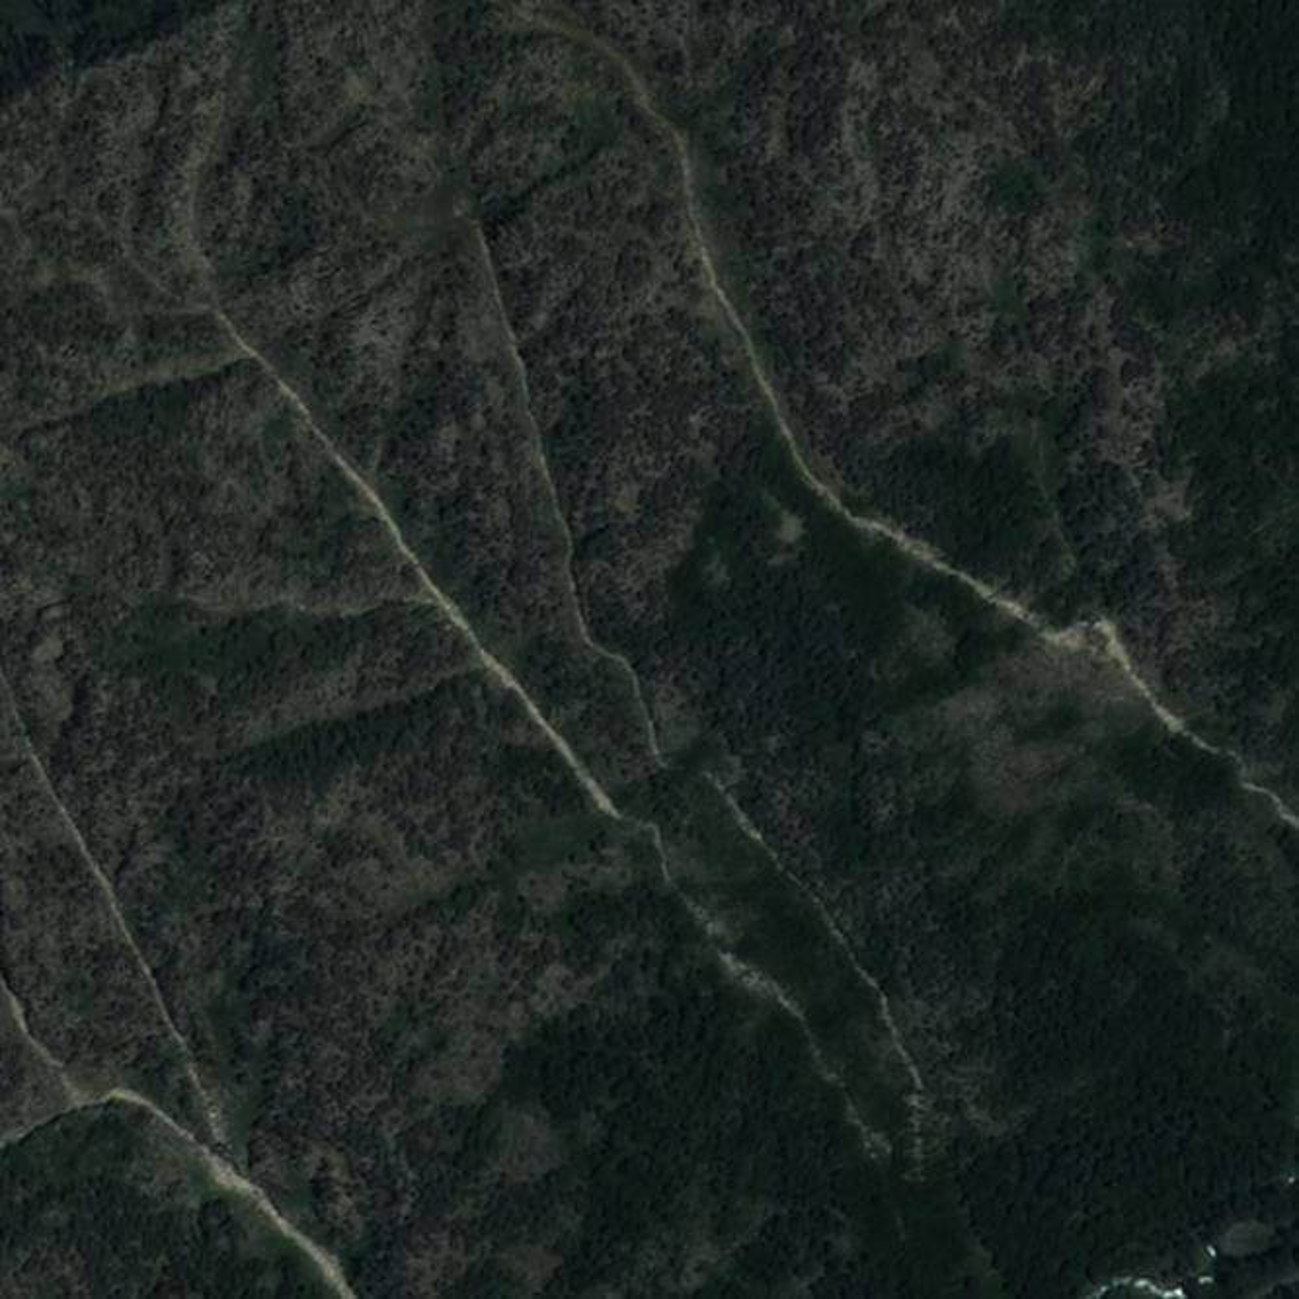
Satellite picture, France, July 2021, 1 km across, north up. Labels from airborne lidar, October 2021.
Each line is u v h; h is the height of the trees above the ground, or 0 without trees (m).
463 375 6
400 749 12
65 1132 7
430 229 0
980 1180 21
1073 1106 32
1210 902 17
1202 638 11
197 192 0
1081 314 18
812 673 24
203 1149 0
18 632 12
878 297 15
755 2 8
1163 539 10
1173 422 17
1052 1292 23
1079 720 7
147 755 10
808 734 15
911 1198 11
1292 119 16
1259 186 14
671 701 8
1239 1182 35
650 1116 23
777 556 24
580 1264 18
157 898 14
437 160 0
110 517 12
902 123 7
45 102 6
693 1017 39
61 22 10
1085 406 13
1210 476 15
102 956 16
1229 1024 12
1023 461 20
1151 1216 28
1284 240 20
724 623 17
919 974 17
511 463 10
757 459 25
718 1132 23
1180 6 14
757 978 0
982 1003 10
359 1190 22
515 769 18
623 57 0
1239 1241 0
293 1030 9
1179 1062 31
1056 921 18
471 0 0
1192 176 18
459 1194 22
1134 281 7
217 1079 0
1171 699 0
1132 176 12
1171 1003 24
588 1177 6
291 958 18
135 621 11
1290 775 16
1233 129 23
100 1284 14
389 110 0
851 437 15
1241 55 27
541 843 0
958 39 11
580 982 7
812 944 7
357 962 8
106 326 13
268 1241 0
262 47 0
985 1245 14
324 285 11
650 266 6
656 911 21
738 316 0
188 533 9
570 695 12
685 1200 0
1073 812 9
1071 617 16
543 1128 0
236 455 10
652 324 16
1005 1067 13
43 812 10
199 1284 20
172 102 10
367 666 13
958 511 12
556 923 8
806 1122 10
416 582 7
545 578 9
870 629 7
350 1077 8
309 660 11
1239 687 15
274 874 6
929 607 13
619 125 0
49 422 8
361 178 8
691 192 0
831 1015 6
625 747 11
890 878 12
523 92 12
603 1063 24
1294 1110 18
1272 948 14
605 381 7
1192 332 6
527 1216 22
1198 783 17
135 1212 18
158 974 19
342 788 7
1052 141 7
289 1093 16
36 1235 17
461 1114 18
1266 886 12
